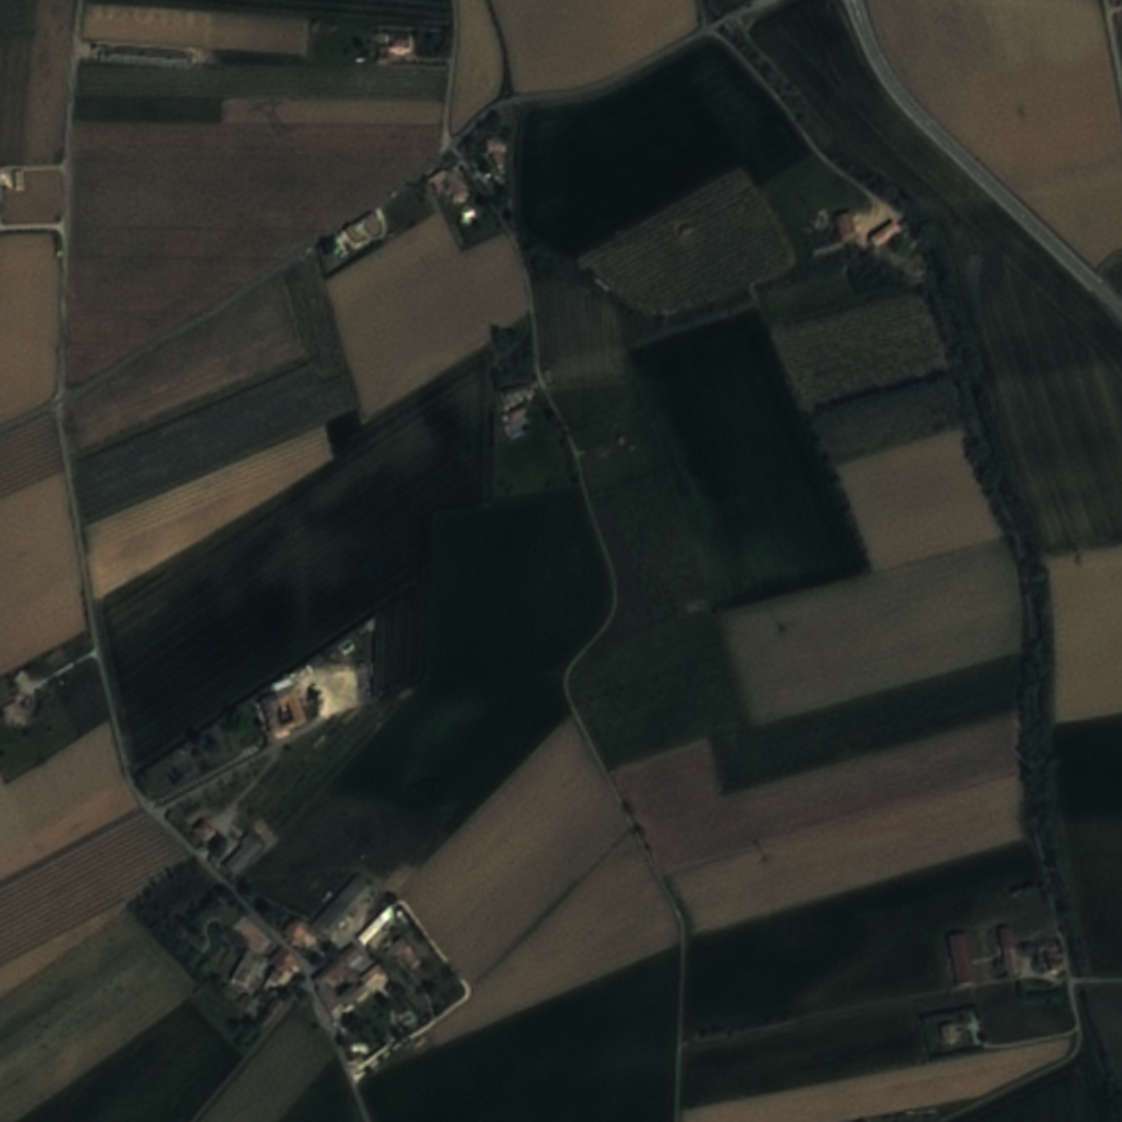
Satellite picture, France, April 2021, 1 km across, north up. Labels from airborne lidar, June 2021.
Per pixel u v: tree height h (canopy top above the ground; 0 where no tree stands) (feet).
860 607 0
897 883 0
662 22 0
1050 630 36
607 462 0
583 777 0
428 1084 0
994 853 0
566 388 0
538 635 0
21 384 0
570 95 0
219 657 0
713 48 0
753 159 0
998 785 0
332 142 0
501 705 0
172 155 0
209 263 0
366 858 0
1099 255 0
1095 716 0
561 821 0
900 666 0
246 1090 0
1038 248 0
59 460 0
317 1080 0
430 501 0
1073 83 0
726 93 0
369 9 17
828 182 0
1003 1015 0
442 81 0
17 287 0
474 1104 0
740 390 0
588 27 0
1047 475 0
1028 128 0
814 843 0
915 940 0
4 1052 0
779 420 0
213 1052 0
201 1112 0
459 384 0
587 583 0
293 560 0
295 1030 0
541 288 0
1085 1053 0
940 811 0
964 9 0
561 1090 0
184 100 0
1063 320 0
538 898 0
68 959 0
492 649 0
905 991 0
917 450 0
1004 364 0
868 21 0
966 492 0
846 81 0
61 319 0
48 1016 0
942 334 44
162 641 0
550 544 0
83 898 0
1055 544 0
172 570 0
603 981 0
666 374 0
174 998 0
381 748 0
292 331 0
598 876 0
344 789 0
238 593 0
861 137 0
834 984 0
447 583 0
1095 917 0
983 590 0
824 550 0
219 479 0
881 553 0
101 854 0
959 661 0
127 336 0
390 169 0
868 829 0
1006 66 0
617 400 0
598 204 0
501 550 0
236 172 0
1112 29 0
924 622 0
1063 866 31
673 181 0
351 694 0
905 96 0
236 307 0
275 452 0
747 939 0
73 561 0
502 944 0
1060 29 0
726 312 0
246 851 0
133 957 0
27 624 0
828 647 0
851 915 0
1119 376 0
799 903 0
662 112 0
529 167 0
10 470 0
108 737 0
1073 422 0
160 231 0
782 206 0
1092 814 0
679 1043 0
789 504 0
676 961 0
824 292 0
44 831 0
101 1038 0
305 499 0
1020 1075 0
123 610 0
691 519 0
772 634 0
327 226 0
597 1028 0
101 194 0
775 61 0
